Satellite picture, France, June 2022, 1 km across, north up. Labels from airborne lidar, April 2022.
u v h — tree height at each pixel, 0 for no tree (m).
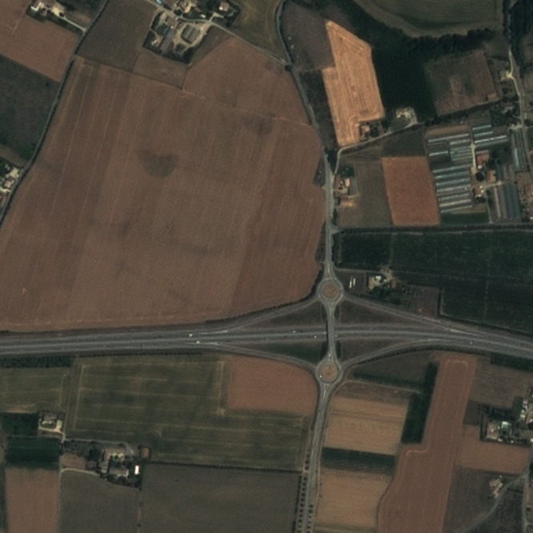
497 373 0
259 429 0
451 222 0
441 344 0
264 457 0
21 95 0
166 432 0
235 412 0
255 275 0
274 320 0
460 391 0
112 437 0
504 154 0
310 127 0
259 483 0
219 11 7
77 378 0
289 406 0
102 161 0
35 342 0
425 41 15
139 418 0
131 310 0
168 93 0
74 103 0
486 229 10
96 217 0
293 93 0
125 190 0
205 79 0
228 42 0
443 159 0
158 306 0
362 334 0
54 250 0
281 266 0
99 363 0
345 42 0
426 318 0
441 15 0
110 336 0
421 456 0
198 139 0
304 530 0
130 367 0
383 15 0
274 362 0
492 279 11
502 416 7
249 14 0
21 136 0
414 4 0
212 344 0
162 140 0
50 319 0
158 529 0
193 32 0
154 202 0
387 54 6
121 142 0
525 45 0
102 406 0
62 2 7
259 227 0
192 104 0
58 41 0
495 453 0
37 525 0
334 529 0
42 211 0
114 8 0
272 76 0
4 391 0
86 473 0
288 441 0
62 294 0
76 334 0
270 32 0
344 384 0
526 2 17
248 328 0
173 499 0
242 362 0
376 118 0
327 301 0
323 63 0
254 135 0
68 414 0
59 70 0
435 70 0
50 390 0
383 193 0
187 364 0
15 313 0
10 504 0
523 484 0
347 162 0
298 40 0
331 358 0
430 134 0
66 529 0
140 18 0
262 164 0
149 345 0
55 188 0
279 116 0
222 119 0
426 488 0
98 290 0
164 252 0
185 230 0
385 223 0
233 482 0
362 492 0
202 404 0
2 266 0
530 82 0
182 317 0
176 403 0
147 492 0
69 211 0
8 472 0
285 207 0
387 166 0
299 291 0
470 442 0
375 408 0
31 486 0
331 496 0
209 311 0
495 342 0
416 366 0
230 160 0
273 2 0
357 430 0
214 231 0
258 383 0
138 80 0
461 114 6
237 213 0
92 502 0
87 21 0
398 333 0
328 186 0
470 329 0
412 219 0
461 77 0
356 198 0
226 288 0
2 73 0
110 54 0
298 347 0
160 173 0
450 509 0
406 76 8
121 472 0
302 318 0
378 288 8
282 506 0
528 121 7
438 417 0
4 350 0
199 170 0
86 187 0
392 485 0
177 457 0
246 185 0
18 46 0
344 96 0
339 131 0
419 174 0
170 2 0
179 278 0
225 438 0
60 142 0
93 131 0
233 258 0
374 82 0
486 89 0
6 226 0
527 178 0
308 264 0
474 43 13
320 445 0
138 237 0
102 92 0
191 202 0
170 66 0
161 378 0
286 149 0
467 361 0
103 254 0
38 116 0
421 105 8
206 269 0
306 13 0
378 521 0
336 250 10
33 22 0
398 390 0
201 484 0
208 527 0
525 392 0
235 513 0
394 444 0
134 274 0
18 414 6
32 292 0
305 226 0
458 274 11
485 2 0
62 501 0
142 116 0
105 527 0
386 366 0
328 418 0
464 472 0
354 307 0
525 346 0
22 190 0
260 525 0
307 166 0
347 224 0
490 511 0
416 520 0
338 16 0
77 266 0
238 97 0
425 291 0
